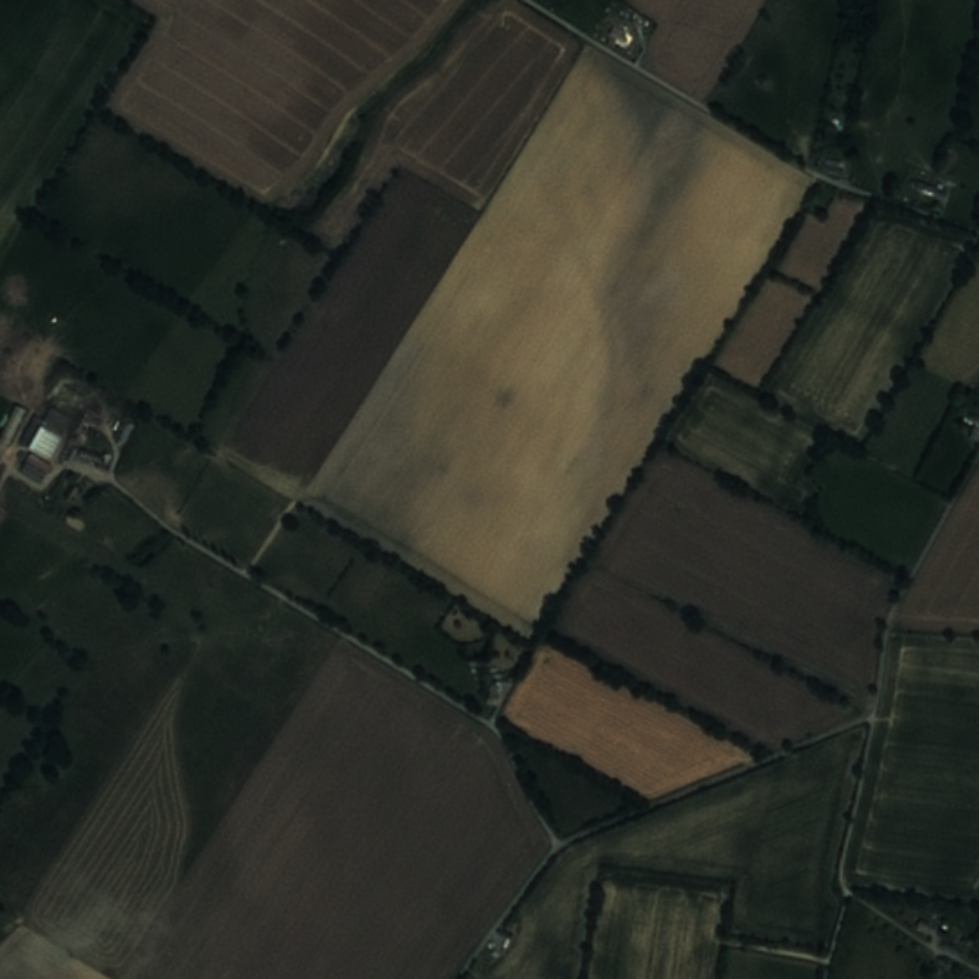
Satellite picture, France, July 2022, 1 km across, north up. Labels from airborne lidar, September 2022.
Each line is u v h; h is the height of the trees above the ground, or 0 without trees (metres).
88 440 0
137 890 0
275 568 0
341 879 0
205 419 7
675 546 0
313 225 0
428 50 0
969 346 0
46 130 0
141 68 0
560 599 9
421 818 0
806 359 0
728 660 0
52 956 0
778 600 0
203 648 0
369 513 0
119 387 0
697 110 0
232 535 0
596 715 0
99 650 0
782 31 0
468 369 0
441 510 0
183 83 0
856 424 0
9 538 0
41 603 0
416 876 0
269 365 0
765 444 0
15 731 0
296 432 0
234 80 0
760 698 0
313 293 9
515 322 0
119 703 0
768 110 0
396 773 0
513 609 0
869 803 0
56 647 5
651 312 0
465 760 0
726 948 11
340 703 0
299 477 0
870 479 0
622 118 0
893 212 10
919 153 0
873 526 0
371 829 0
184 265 0
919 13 0
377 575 0
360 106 0
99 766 0
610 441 0
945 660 0
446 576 0
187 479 0
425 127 0
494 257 0
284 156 0
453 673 0
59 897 0
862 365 0
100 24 0
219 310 0
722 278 0
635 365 0
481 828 0
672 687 0
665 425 12
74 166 0
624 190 0
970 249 16
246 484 0
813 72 0
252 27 0
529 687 0
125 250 0
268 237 0
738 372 0
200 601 0
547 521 0
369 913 0
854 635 0
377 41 0
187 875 0
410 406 0
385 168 0
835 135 8
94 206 0
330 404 0
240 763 0
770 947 10
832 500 0
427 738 0
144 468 0
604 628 0
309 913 0
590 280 0
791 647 0
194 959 0
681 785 0
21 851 0
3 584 0
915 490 0
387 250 0
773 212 0
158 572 0
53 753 21
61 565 0
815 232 0
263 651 0
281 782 0
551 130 0
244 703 0
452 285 0
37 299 0
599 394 0
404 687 0
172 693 0
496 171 0
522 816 0
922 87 0
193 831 0
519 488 0
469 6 0
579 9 0
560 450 0
